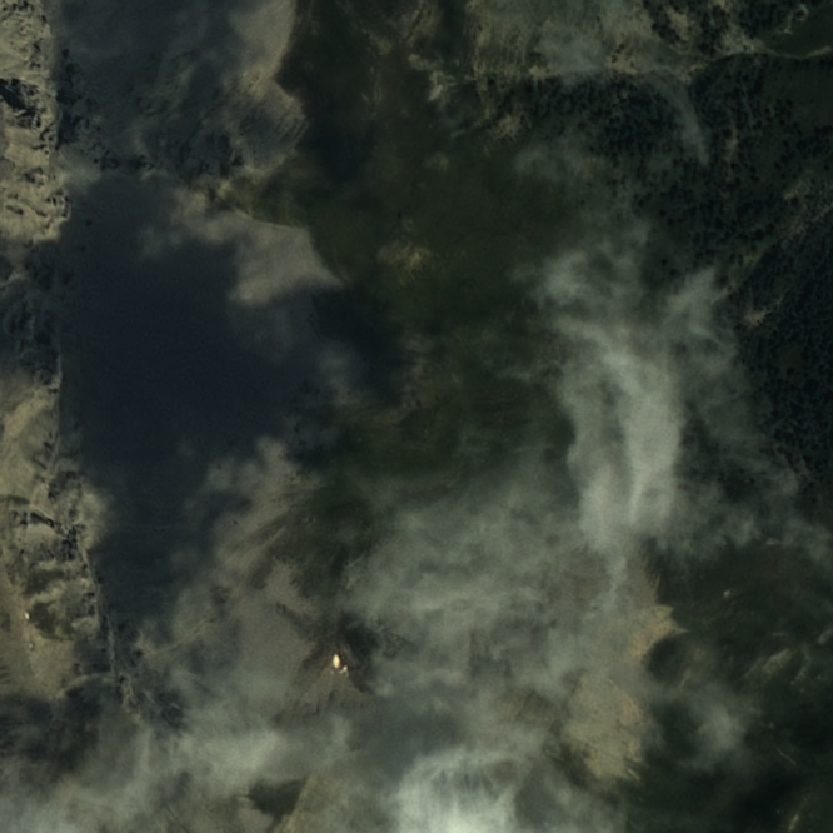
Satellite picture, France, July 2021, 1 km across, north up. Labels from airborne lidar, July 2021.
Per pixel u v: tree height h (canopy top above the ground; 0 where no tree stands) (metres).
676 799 0
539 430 0
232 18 0
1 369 0
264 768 0
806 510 0
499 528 0
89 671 0
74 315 0
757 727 0
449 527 0
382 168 0
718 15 12
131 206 0
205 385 0
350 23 0
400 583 0
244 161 0
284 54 0
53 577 0
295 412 0
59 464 0
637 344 9
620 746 0
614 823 0
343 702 0
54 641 0
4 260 0
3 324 0
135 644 0
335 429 0
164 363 0
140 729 0
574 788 0
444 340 0
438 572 0
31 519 0
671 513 0
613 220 0
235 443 0
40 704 0
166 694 0
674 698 0
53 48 0
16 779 0
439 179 0
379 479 0
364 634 0
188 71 0
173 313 0
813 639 0
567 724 0
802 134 16
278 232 0
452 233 0
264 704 0
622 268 0
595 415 0
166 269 0
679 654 0
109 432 0
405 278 0
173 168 0
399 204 0
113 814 0
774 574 0
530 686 0
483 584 0
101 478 0
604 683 0
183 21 0
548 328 0
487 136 0
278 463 0
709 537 0
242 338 0
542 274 0
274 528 0
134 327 0
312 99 0
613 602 0
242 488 0
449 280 0
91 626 0
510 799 0
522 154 0
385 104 0
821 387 15
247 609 0
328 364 0
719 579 0
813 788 0
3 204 0
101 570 0
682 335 0
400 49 0
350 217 0
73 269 0
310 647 0
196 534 0
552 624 0
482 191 0
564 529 0
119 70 0
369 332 0
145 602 0
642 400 0
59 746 0
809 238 7
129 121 0
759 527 0
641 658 0
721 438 0
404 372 0
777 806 0
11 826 0
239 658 0
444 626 0
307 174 0
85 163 0
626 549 0
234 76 0
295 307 0
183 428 0
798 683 0
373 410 0
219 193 0
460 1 0
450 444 0
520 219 0
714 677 0
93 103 0
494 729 0
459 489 0
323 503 0
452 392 0
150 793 0
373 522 0
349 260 0
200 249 0
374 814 0
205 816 0
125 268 0
